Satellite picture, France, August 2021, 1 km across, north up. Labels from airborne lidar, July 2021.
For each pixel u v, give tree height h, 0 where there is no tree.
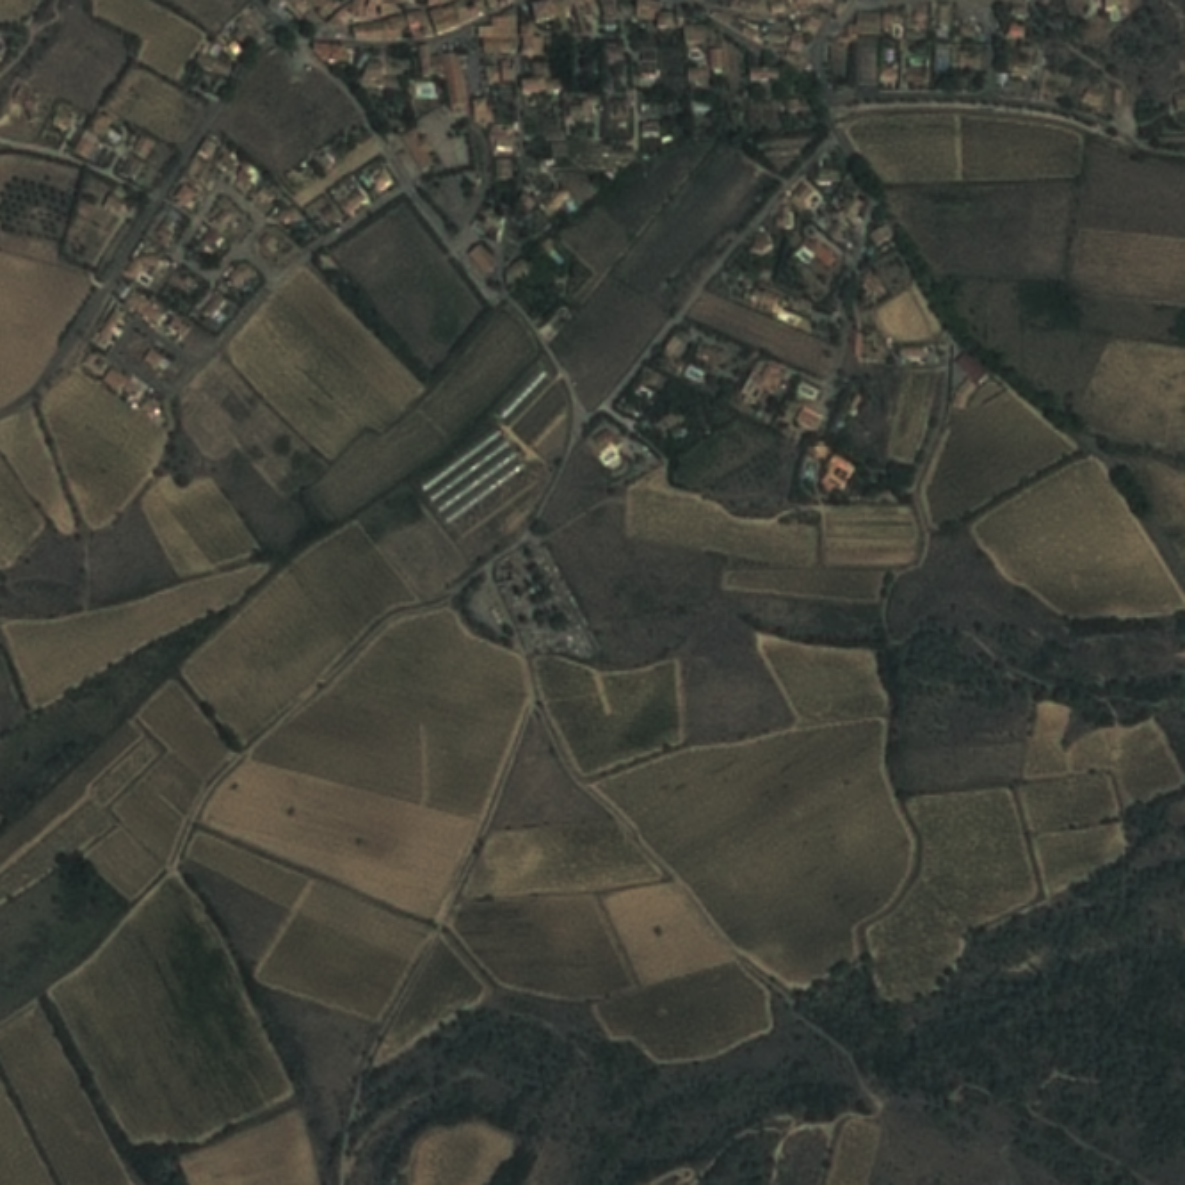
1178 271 0
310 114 0
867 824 0
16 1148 0
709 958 0
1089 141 0
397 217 0
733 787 0
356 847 0
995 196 0
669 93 9
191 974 0
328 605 0
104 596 0
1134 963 6
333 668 0
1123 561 0
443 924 0
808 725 0
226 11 0
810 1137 0
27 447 0
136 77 0
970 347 15
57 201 8
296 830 0
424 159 0
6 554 0
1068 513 0
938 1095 9
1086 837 0
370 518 0
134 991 0
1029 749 0
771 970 0
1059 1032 9
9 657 6
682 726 0
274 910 0
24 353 0
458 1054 9
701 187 0
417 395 0
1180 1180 0
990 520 0
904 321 0
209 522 0
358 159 0
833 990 11
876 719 0
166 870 0
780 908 0
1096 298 0
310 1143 0
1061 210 0
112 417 0
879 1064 7
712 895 0
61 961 0
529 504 0
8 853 0
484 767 0
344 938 0
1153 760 0
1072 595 0
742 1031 0
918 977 0
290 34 17
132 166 0
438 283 0
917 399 0
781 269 7
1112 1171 8
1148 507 15
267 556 7
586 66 14
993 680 11
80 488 0
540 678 0
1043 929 7
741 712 0
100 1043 0
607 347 0
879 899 0
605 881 0
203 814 0
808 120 11
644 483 0
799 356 0
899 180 0
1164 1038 7
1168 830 8
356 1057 0
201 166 0
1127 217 0
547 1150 0
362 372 0
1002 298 0
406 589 0
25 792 9
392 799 0
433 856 0
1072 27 12
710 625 0
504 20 0
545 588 12
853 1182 0
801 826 0
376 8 0
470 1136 0
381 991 0
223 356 0
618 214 0
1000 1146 0
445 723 0
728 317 0
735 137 14
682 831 0
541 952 0
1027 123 0
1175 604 0
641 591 0
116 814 0
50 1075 0
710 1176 8
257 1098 0
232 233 0
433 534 0
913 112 0
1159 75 0
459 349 9
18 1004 0
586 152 0
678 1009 0
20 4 0
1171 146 6
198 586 0
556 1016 0
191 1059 0
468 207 0
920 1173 0
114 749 0
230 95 16
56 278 0
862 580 0
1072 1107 9
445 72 0
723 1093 7
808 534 0
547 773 0
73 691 8
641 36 6
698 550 0
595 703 0
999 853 0
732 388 6
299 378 0
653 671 0
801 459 6
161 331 0
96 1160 0
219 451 0
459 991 0
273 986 0
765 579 0
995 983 6
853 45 8
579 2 0
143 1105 0
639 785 0
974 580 0
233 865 0
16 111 0
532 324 0
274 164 0
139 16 0
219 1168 0
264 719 0
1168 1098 10
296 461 0
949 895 0
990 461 0
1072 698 6
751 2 0
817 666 0
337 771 0
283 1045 6
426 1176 0
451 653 0
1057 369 0
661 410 6
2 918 0
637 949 0
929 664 11
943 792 0
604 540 0
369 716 0
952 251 0
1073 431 14
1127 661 0
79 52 0
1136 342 0
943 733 0
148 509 0
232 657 0
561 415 0
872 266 8
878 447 0
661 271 0
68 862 14
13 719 0
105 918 0
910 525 0
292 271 0
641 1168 7
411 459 0
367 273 0
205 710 10
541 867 0
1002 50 10
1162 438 0
